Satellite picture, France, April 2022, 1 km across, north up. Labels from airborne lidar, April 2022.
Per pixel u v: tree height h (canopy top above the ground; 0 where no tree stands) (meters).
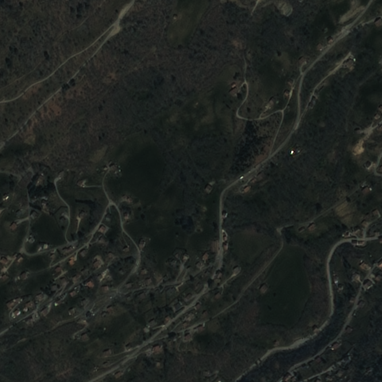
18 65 0
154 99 23
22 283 0
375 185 20
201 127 0
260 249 0
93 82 6
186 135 0
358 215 0
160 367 0
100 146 7
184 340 0
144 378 20
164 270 0
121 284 0
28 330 8
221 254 0
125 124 13
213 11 7
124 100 15
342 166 9
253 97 0
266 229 6
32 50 14
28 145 0
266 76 0
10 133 0
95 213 18
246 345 13
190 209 17
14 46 8
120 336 0
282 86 0
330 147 7
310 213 6
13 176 8
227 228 13
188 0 0
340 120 25
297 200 19
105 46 13
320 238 11
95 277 17
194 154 8
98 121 7
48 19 8
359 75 0
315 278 14
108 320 0
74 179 8
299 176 18
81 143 7
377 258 0
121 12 0
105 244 0
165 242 0
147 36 7
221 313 0
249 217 22
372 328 9
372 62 16
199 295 0
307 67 0
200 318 0
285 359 17
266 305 0
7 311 0
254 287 7
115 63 12
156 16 13
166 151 7
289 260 0
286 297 0
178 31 0
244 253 0
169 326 0
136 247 0
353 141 0
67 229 0
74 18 16
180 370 7
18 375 6
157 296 0
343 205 0
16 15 0
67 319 0
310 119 0
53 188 14
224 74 0
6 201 0
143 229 0
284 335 6
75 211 0
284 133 6
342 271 0
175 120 0
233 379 11
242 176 0
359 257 0
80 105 7
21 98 0
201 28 7
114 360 0
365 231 0
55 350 0
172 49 6
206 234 0
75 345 0
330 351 0
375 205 0
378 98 0
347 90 22
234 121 9
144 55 8
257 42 0
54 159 8
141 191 0
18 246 0
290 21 17
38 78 0
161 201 0
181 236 0
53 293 15
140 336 12
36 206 12
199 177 23
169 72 12
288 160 19
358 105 0
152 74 22
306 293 0
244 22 14
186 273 0
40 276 0
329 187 8
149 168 0
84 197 0
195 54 12
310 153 19
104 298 0
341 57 15
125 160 0
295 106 0
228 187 0
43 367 14
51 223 0
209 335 0
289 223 14
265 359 0
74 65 9
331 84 0
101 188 0
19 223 0
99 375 0
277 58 0
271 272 0
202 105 0
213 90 0
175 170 17
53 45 12
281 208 0
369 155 0
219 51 8
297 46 9
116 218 0
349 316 0
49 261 0
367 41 0
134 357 0
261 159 0
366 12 0
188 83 13
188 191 18
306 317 9
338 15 0
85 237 8
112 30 0
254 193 0
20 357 12
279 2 0
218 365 17
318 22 0
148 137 0
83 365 9
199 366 16
